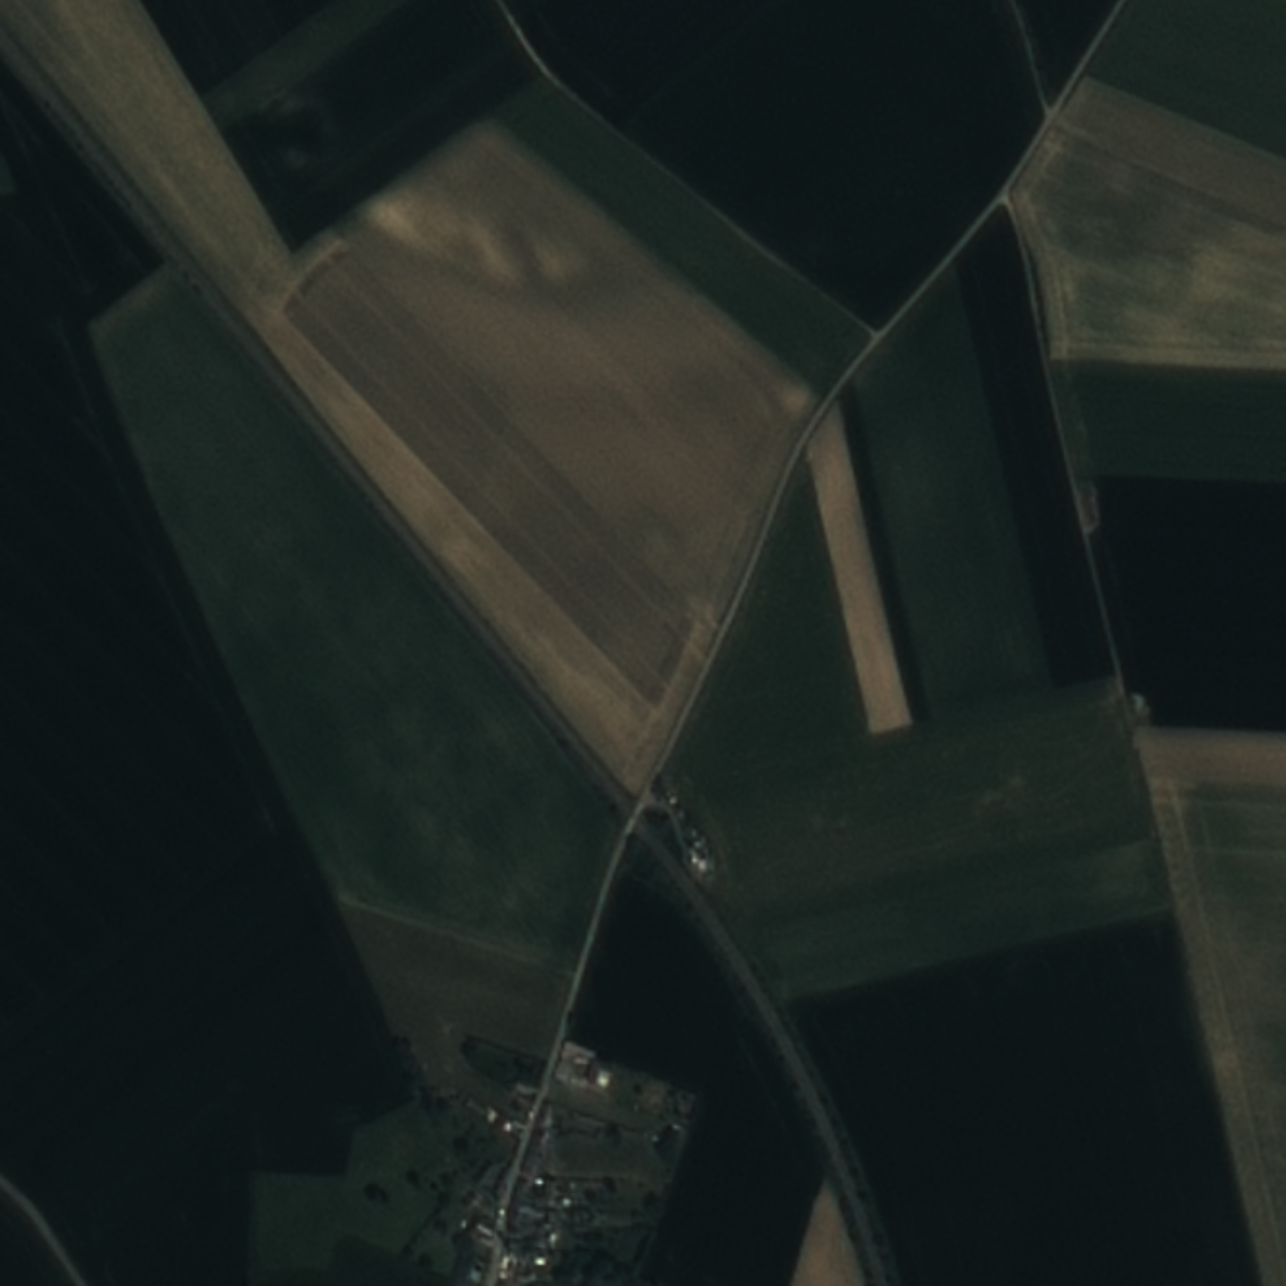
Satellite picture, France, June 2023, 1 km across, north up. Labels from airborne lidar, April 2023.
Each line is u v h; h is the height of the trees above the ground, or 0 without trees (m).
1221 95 0
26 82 0
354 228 0
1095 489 0
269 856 0
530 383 0
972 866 0
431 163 0
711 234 0
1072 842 0
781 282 0
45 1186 0
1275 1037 0
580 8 0
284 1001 0
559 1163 0
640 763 0
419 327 0
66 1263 0
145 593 0
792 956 0
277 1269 0
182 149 0
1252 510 0
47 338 0
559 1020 0
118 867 0
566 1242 0
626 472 0
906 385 0
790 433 0
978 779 0
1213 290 0
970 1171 0
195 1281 0
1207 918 0
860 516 0
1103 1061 0
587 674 0
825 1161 6
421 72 0
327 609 0
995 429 0
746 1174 0
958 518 0
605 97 0
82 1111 0
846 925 0
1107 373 0
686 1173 0
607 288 0
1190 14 0
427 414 0
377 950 0
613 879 0
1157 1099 0
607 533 0
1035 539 0
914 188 0
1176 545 0
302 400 0
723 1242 0
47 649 0
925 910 0
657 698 0
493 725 0
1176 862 0
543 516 0
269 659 0
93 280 0
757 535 0
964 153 0
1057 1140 0
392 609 0
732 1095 0
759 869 0
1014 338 0
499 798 0
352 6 0
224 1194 0
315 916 0
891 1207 0
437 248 0
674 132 0
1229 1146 0
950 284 0
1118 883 0
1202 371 0
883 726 0
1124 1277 0
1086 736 0
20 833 0
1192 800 0
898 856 0
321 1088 0
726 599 0
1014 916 0
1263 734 0
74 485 0
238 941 0
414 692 0
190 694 0
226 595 0
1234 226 0
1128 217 0
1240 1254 0
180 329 0
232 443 0
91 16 0
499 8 0
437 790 0
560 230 0
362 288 0
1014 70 0
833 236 0
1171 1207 0
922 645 0
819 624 0
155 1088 0
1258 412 0
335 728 0
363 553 0
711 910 0
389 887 0
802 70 0
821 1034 0
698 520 0
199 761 0
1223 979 0
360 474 0
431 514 0
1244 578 0
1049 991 0
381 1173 0
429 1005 0
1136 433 0
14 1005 0
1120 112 0
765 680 0
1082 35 0
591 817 0
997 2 0
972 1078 0
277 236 0
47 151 0
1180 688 0
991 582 0
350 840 0
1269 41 0
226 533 0
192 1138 0
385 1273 0
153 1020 0
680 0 0
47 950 0
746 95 0
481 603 0
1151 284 0
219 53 0
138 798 0
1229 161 0
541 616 0
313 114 0
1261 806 0
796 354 0
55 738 0
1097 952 0
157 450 0
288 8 0
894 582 0
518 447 0
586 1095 0
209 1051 0
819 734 0
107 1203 0
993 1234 0
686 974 0
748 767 0
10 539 0
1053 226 0
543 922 0
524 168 0
